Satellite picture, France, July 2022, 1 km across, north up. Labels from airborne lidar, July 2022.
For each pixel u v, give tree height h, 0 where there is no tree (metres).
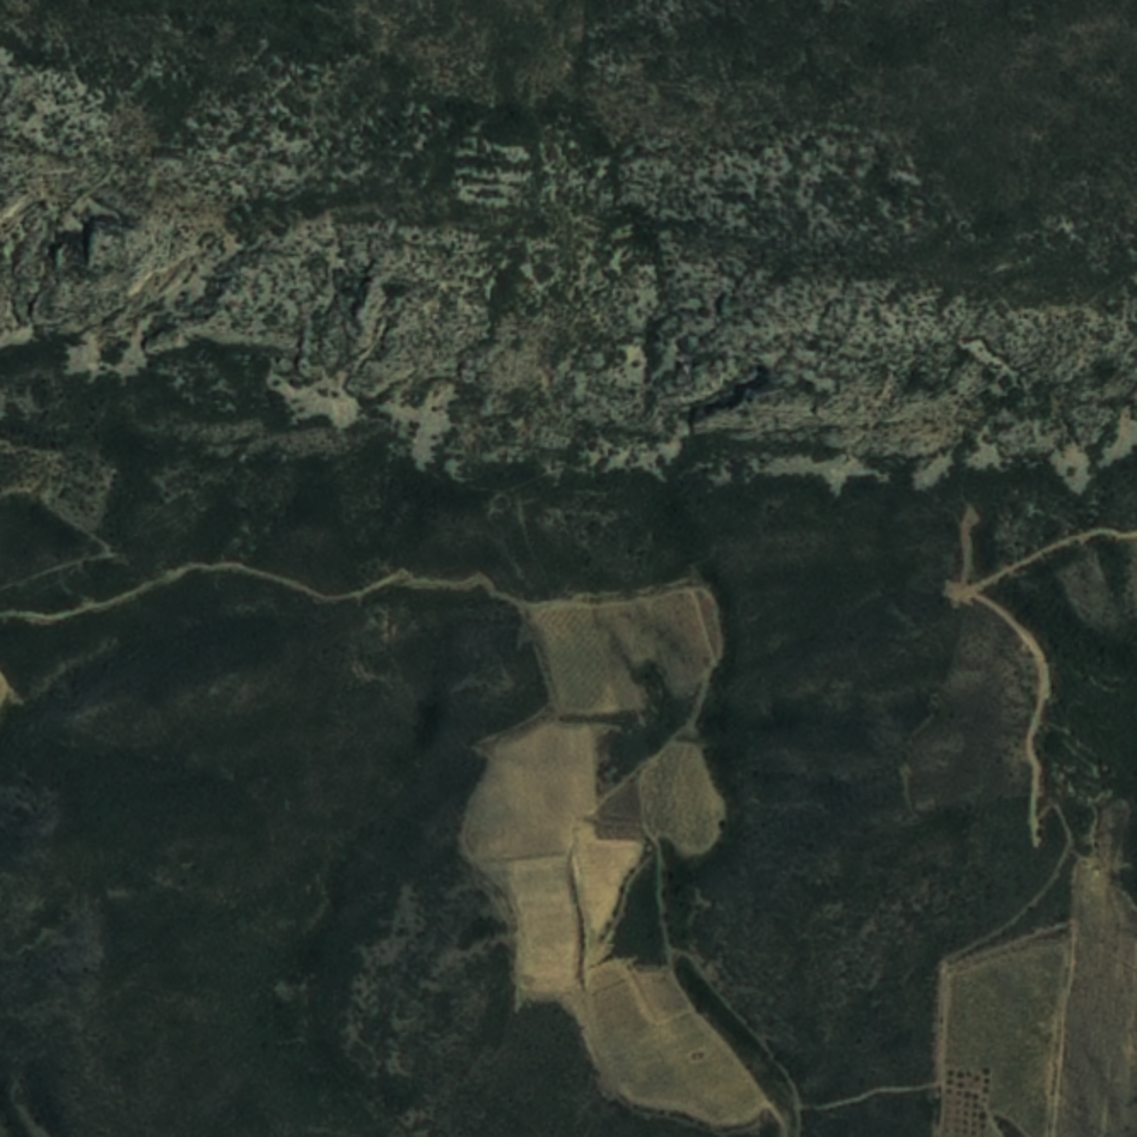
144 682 0
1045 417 6
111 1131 0
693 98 0
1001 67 0
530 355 0
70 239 9
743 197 6
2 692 0
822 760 0
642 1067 0
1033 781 0
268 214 0
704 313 6
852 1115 0
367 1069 0
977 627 0
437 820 0
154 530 0
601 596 0
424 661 0
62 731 0
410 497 6
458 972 0
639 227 10
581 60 6
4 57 0
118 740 0
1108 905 0
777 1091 0
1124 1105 0
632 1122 0
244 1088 0
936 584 0
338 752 0
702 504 6
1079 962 0
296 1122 0
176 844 0
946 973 0
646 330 6
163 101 0
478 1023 0
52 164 0
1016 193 0
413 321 0
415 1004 0
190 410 0
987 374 5
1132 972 0
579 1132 0
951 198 0
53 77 0
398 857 0
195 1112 0
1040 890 0
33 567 0
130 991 0
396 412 0
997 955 0
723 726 5
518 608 0
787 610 0
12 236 5
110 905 0
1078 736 9
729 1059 0
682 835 0
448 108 7
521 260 6
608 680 0
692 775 0
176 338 0
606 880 0
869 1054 0
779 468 0
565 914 0
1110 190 0
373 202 0
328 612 0
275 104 0
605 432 7
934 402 8
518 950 0
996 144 0
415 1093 0
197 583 0
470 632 0
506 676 0
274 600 0
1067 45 0
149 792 0
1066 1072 0
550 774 0
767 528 0
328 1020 0
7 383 0
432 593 0
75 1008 0
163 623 0
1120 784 7
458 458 8
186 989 0
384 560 5
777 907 0
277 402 8
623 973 0
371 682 0
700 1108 0
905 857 0
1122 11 0
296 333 10
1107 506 6
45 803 0
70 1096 0
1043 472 9
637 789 0
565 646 0
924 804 0
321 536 0
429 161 0
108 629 0
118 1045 0
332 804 0
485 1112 0
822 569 0
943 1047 0
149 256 0
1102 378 6
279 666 0
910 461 6
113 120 0
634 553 6
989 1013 0
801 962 0
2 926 0
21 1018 0
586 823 0
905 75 0
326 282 7
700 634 0
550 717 0
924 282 0
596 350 6
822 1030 0
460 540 0
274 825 0
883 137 0
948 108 0
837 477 0
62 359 6
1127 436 0
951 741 0
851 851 0
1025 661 0
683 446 6
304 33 6
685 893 13
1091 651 9
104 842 0
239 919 7
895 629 0
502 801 0
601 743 0
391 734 0
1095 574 0
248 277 0
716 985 0
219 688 0
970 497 0
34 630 0
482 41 0
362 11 0
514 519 0
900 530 0
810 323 0
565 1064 0
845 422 0
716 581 6
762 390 16
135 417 0
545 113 6
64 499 9
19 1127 8
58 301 0
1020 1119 0
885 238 0
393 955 0
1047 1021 0
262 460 6
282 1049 6
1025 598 6
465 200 0
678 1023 0
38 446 8
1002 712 0
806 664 0
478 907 0
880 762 0
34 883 0
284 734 0
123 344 7
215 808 0
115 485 7
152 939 0
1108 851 0
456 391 7
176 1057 0
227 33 0
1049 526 6
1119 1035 0
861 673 0
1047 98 0
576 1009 0
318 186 0
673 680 0
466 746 0
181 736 0
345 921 0
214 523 0
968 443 6
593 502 5
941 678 0
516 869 0
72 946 0
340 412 0
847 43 0
